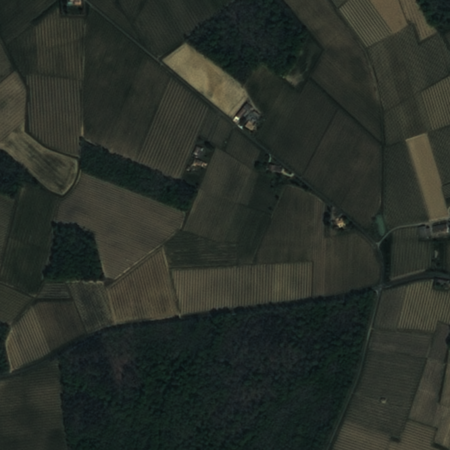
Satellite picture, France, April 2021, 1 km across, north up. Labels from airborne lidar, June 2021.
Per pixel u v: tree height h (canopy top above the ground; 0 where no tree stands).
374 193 0
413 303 0
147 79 0
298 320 9
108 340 14
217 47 12
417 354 0
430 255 0
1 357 14
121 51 0
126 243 0
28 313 0
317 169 0
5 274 0
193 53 0
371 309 10
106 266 0
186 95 0
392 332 0
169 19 0
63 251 20
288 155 0
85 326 0
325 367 22
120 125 0
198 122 0
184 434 18
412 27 0
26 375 0
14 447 0
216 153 0
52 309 0
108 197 0
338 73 0
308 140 0
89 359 12
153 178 17
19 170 19
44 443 0
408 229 0
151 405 17
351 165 0
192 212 0
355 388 0
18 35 0
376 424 0
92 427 23
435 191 0
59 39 0
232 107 0
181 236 0
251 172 0
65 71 0
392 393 0
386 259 0
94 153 13
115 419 20
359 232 0
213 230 0
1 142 0
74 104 0
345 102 0
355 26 0
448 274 16
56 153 0
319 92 0
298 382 21
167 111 0
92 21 0
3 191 17
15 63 0
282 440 16
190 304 0
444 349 0
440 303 0
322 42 0
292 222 0
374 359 0
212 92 0
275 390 19
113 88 0
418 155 0
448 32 0
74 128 0
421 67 0
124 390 14
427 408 0
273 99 0
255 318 14
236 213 0
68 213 0
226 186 0
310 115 0
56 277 17
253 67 20
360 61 0
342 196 0
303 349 19
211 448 18
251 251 0
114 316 0
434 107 0
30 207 0
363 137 0
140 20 0
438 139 0
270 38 22
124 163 13
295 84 0
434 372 0
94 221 0
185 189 23
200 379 16
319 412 13
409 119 0
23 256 0
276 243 0
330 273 0
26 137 0
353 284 0
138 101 0
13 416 0
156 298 0
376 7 0
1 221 0
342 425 0
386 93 0
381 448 0
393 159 0
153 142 0
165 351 21
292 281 0
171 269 0
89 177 0
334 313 18
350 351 22
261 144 0
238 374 7
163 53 0
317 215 0
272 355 8
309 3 0
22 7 0
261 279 0
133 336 11
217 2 0
